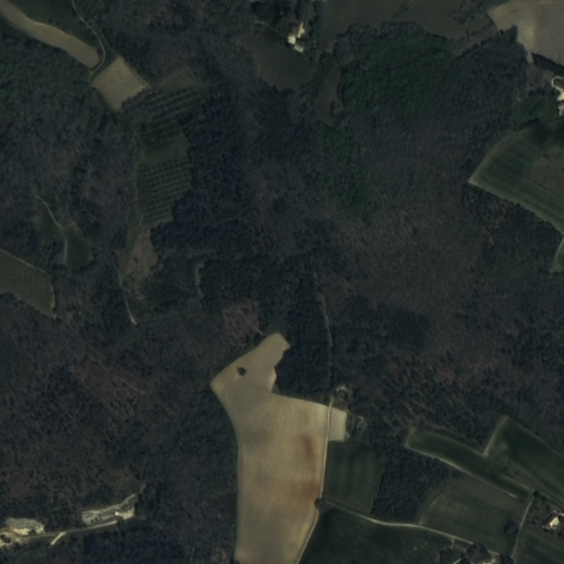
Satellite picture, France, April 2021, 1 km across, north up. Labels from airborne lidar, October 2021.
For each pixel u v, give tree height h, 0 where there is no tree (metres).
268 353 0
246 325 0
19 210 15
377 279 17
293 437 0
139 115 16
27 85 21
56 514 7
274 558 0
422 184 13
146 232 0
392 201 13
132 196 19
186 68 14
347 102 22
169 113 11
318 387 9
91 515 0
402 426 10
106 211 17
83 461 7
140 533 17
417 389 9
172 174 8
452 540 0
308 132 19
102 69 0
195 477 15
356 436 16
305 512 0
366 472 0
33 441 12
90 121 12
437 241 18
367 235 18
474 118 10
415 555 0
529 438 0
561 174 0
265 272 9
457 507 0
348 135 18
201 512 14
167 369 19
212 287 15
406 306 18
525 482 0
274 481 0
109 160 26
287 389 13
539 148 0
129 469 10
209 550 14
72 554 9
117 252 15
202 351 12
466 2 12
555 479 0
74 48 0
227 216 18
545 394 14
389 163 16
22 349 16
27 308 12
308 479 0
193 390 15
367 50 22
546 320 18
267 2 16
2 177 12
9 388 13
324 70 11
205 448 23
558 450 12
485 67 9
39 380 8
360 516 0
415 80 13
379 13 0
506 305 11
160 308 12
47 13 0
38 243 13
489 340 15
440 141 11
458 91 10
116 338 19
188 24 13
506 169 0
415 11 0
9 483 9
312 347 15
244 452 0
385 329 14
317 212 16
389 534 0
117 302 21
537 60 17
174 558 25
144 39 16
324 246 12
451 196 14
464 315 15
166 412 15
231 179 0
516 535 15
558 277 15
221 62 18
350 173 20
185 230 21
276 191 15
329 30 0
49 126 18
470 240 9
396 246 21
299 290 11
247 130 17
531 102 19
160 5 19
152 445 16
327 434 0
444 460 0
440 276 17
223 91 22
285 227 13
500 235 7
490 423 14
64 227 0
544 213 0
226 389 0
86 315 17
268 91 6
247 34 17
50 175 24
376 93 17
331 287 11
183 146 0
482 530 0
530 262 6
